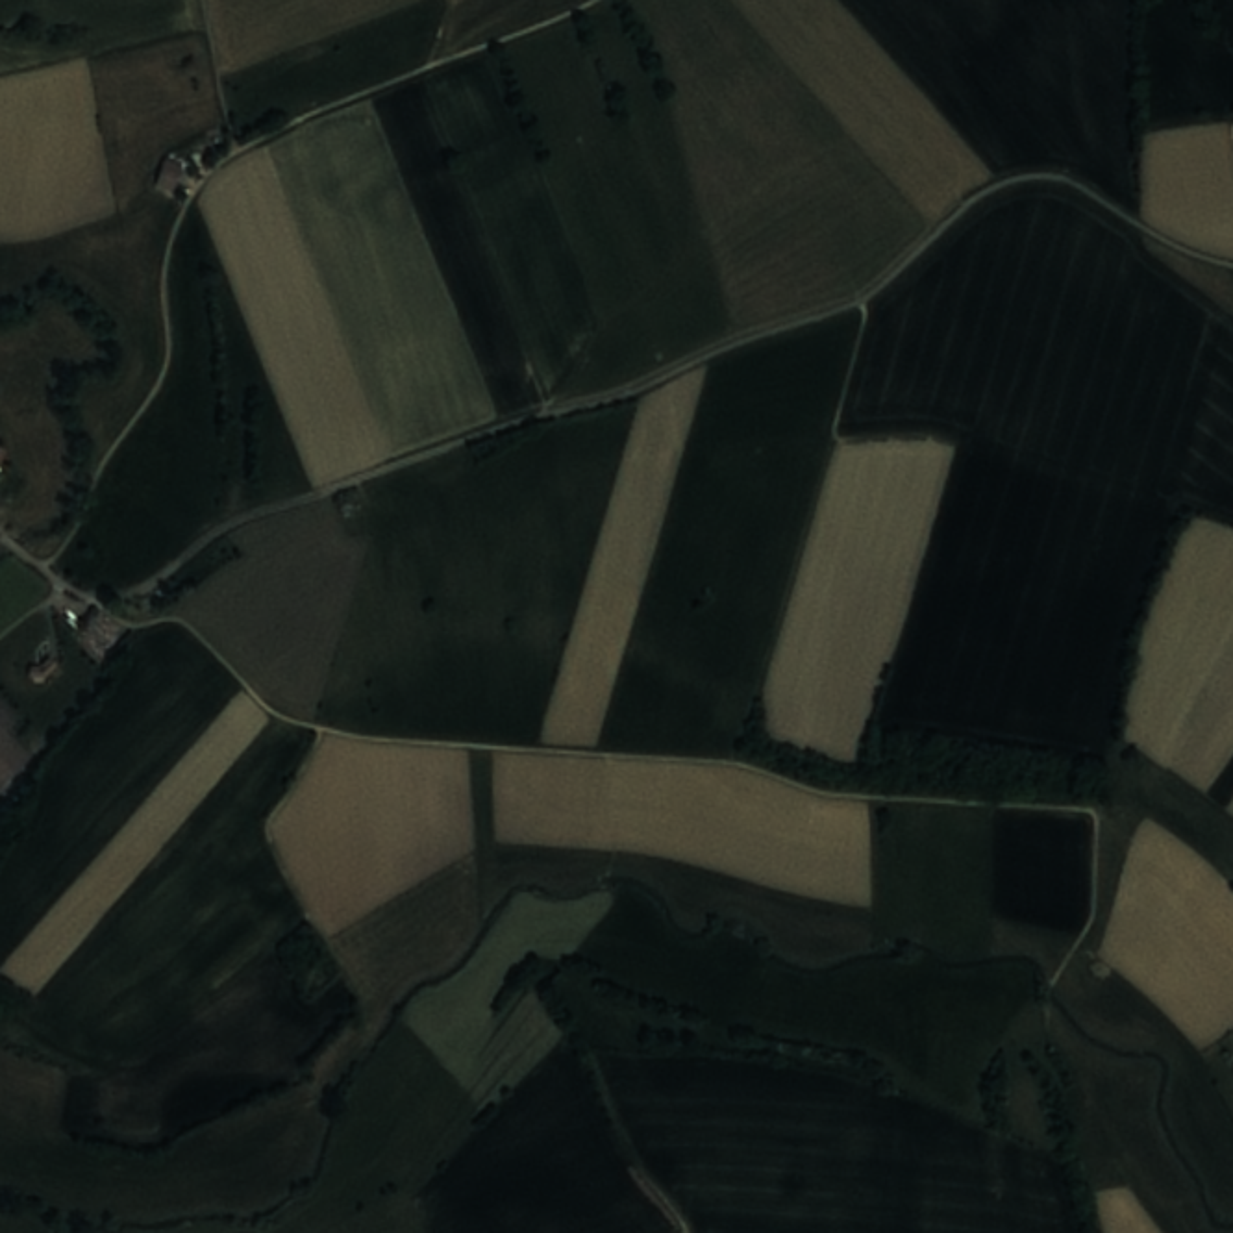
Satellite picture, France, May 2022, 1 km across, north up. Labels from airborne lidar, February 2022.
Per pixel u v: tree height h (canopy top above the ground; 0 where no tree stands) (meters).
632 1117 0
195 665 0
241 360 0
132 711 0
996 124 0
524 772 0
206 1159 0
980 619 0
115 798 0
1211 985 0
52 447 0
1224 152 0
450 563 0
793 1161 0
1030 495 0
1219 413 0
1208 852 0
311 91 0
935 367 0
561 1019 12
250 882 0
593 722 0
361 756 0
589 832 0
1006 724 0
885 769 13
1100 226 0
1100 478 0
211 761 0
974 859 0
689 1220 0
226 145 6
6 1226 0
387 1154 0
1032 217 0
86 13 0
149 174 0
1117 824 0
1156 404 0
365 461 0
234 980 0
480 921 0
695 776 0
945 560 0
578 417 8
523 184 0
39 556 0
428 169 0
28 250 0
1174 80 0
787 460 0
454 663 0
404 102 0
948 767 9
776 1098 0
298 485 0
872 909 0
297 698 0
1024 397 0
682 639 0
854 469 0
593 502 0
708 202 0
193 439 0
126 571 0
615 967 0
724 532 0
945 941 0
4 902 0
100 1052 0
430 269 0
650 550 0
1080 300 0
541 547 0
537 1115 0
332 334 0
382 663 0
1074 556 0
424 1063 0
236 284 0
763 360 0
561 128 0
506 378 0
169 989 0
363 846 0
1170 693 0
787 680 0
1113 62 0
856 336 0
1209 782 0
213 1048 0
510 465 0
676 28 0
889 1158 0
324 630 0
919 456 0
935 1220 0
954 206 0
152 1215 0
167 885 0
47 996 0
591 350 0
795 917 0
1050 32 0
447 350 0
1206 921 0
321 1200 0
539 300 0
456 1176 0
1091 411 0
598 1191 0
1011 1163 0
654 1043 12
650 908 0
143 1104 0
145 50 0
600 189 0
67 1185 0
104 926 0
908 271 0
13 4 0
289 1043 0
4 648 0
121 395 0
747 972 0
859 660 0
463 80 0
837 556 0
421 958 0
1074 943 0
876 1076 7
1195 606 0
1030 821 0
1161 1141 0
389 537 0
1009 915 0
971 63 0
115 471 0
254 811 0
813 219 0
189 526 0
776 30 0
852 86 0
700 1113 0
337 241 0
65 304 16
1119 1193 0
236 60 0
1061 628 0
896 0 0
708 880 0
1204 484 0
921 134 0
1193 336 0
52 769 0
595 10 0
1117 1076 0
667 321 0
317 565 0
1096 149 0
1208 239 0
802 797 0
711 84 0
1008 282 0
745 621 0
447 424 0
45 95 0
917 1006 0
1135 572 0
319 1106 0
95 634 0
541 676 0
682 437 0
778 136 0
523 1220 0
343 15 0
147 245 0
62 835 0
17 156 0
